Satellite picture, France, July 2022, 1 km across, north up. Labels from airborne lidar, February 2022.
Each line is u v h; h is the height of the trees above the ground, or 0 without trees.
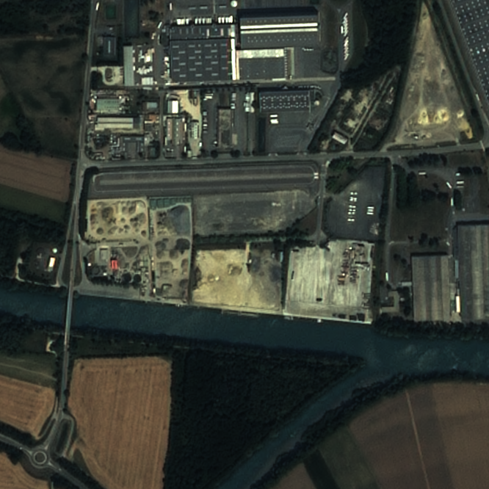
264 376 16
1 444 10
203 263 0
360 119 0
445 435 0
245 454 16
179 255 0
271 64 0
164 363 0
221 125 0
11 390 0
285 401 16
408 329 17
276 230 0
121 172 0
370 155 0
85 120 0
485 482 0
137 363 0
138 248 0
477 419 0
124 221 0
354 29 0
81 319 0
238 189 0
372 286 0
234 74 0
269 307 0
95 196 0
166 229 0
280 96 0
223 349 11
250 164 0
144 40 0
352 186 0
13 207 0
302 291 0
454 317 0
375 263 0
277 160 0
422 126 0
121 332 9
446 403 0
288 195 0
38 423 0
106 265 0
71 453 0
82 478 14
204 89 17
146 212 0
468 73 0
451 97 0
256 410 14
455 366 0
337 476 0
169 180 0
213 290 0
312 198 0
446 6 0
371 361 0
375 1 17
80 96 0
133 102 0
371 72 17
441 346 0
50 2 13
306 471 0
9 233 10
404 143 0
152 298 0
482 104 0
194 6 0
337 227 0
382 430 0
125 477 0
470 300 0
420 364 0
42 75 0
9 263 19
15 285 17
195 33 0
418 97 0
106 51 0
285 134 0
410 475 0
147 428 0
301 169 0
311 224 0
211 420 18
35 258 0
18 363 0
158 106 0
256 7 0
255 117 0
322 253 0
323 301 0
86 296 0
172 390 10
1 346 8
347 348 0
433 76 0
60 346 16
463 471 0
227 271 0
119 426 0
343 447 0
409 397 0
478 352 0
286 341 0
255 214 0
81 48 0
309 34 0
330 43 0
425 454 0
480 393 0
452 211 0
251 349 19
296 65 0
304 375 16
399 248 0
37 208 0
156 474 0
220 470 13
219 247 0
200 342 15
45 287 6
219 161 0
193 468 20
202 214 0
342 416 24
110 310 0
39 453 0
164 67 0
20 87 0
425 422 0
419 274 0
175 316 0
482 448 0
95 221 0
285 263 10
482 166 0
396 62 14
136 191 0
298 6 0
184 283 0
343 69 0
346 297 0
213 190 0
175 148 0
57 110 0
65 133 0
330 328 0
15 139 17
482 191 0
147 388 0
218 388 12
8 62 0
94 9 0
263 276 0
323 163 0
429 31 0
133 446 0
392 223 0
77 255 0
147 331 0
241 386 14
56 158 0
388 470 0
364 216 0
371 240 0
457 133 0
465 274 0
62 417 0
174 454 8
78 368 0
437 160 21
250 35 0
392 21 14
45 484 0
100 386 0
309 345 0
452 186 0
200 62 0
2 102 0
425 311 0
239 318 0
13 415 0
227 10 0
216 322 0
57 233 13
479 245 0
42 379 0
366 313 0
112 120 0
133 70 0
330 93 0
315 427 6
